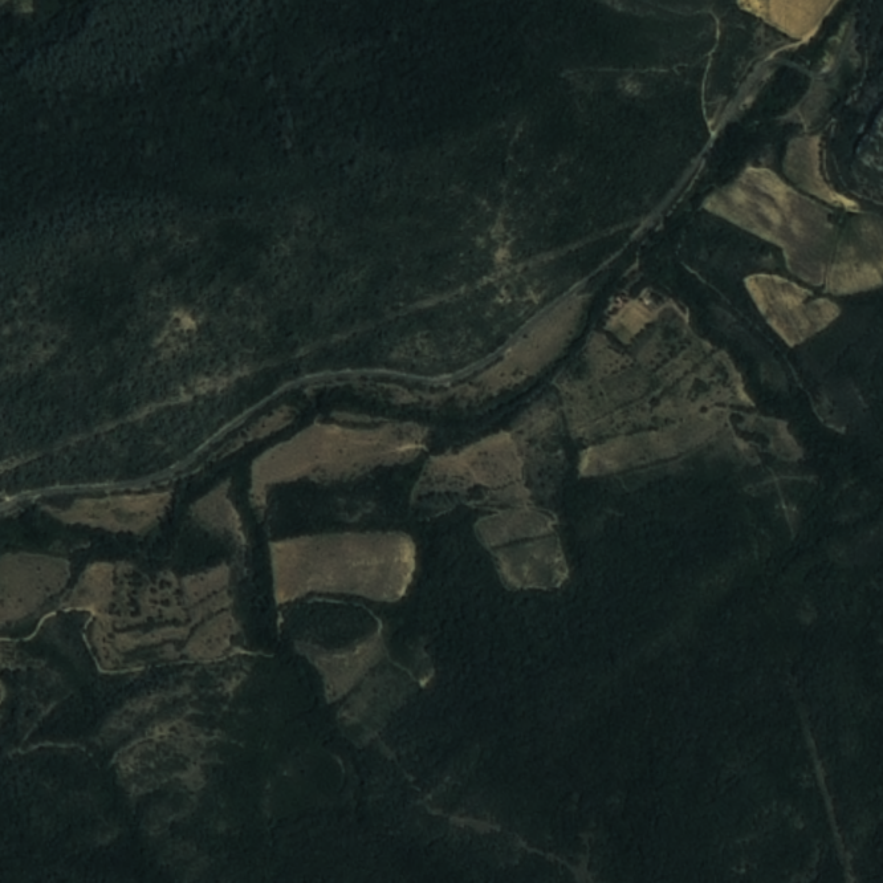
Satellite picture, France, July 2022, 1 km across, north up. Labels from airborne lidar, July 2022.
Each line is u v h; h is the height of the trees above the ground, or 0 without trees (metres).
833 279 0
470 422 6
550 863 7
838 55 0
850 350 7
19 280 11
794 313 0
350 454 0
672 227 10
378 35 6
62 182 8
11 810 10
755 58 0
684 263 7
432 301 0
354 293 11
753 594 12
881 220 0
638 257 7
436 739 6
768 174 0
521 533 0
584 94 7
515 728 8
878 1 6
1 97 9
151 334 10
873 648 8
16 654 0
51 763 8
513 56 8
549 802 6
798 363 8
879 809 12
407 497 8
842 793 7
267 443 7
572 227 9
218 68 15
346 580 0
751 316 7
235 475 8
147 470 13
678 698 7
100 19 14
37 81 14
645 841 6
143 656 0
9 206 7
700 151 8
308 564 0
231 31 13
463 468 0
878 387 6
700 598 9
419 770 6
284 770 0
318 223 12
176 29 17
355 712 0
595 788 7
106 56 19
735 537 8
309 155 7
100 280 11
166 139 6
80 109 8
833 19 12
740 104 0
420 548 10
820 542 11
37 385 13
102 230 10
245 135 6
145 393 10
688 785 8
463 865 8
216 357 8
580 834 6
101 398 11
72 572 8
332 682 0
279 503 9
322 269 15
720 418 0
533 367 0
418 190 7
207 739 0
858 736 7
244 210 7
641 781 10
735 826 7
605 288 12
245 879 6
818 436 7
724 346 14
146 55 17
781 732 8
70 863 6
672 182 8
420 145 6
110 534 8
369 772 8
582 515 7
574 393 0
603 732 7
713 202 0
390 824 7
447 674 8
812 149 0
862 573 7
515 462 0
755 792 6
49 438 10
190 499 12
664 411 0
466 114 8
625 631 6
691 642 10
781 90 11
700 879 7
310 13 9
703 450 0
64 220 8
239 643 7
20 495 0
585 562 9
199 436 9
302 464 0
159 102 8
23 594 0
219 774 7
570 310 0
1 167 7
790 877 6
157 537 9
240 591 6
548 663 9
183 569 8
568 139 6
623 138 8
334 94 8
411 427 0
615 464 0
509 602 7
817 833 7
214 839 7
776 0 0
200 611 0
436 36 8
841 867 9
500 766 8
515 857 6
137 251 6
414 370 9
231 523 0
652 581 7
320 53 8
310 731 8
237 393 7
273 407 7
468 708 7
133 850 7
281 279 12
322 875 7
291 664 8
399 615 9
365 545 0
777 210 0
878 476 10
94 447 10
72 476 7
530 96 6
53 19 10
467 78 7
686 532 8
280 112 14
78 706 6
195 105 8
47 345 12
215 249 9
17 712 11
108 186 6
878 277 0
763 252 7
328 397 12
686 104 6
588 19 7
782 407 10
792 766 6
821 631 7
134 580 6
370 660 0
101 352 9
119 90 7
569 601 6
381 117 7
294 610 7
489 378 0
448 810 6
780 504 0
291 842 6
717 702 6
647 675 8
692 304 13
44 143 9
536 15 9
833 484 10
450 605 10
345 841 8
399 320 10
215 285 14
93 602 0
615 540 10
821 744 7
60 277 10
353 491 6
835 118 7
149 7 15
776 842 8
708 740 9
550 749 6
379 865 10
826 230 0
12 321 11
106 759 7
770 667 7
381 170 11
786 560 13
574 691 6
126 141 7
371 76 7
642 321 0
